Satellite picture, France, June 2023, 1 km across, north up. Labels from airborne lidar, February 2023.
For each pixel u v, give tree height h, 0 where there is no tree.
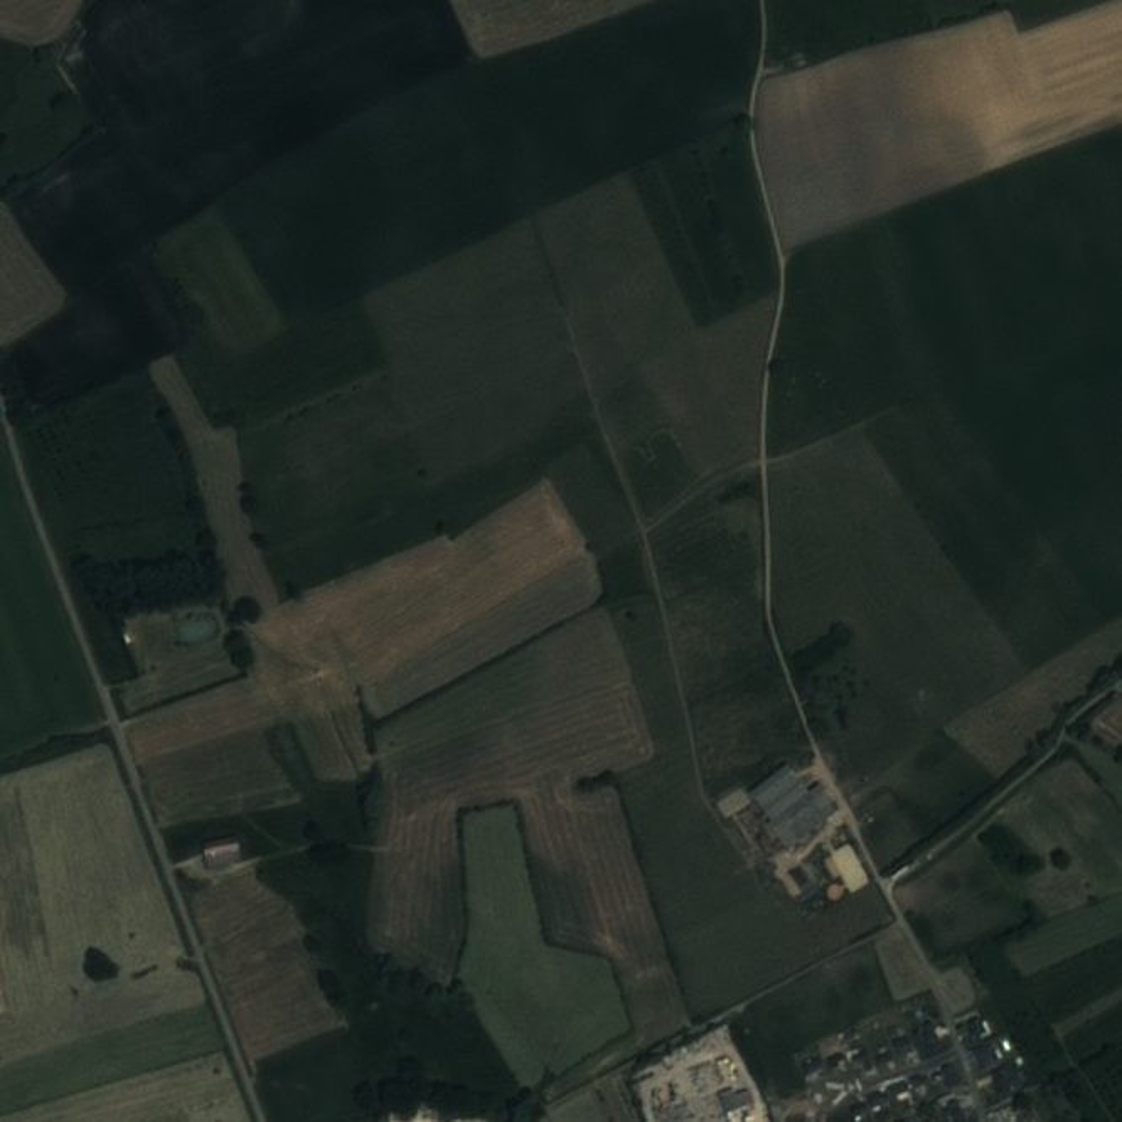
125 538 0
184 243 0
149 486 0
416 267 0
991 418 0
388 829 0
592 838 0
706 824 0
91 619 0
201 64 0
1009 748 0
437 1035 0
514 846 0
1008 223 0
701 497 0
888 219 0
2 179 0
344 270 0
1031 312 0
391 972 15
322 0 0
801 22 0
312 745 0
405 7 0
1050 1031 6
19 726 0
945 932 0
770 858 0
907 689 0
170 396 0
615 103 0
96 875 0
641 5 0
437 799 0
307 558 0
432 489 0
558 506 0
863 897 0
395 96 0
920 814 0
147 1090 0
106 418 0
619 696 0
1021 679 0
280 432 0
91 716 0
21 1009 0
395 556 0
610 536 0
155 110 0
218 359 0
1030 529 0
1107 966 0
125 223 0
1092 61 0
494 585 0
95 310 0
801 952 0
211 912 0
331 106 0
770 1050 0
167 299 0
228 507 0
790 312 0
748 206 0
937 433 0
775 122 0
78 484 0
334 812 0
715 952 0
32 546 0
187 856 0
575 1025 0
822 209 0
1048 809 0
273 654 0
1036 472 0
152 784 0
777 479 0
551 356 0
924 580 0
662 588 0
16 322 0
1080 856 0
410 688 0
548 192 0
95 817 0
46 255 0
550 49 0
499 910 0
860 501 0
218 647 0
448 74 0
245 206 0
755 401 0
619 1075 0
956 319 0
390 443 0
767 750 0
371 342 0
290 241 0
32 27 0
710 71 0
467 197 0
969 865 0
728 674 0
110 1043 0
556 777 0
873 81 0
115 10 0
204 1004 0
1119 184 0
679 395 0
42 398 0
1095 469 0
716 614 0
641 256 0
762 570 0
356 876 0
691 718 0
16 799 0
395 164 0
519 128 0
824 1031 0
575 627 0
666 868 0
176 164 0
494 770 0
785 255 0
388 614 0
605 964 0
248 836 0
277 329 0
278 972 0
